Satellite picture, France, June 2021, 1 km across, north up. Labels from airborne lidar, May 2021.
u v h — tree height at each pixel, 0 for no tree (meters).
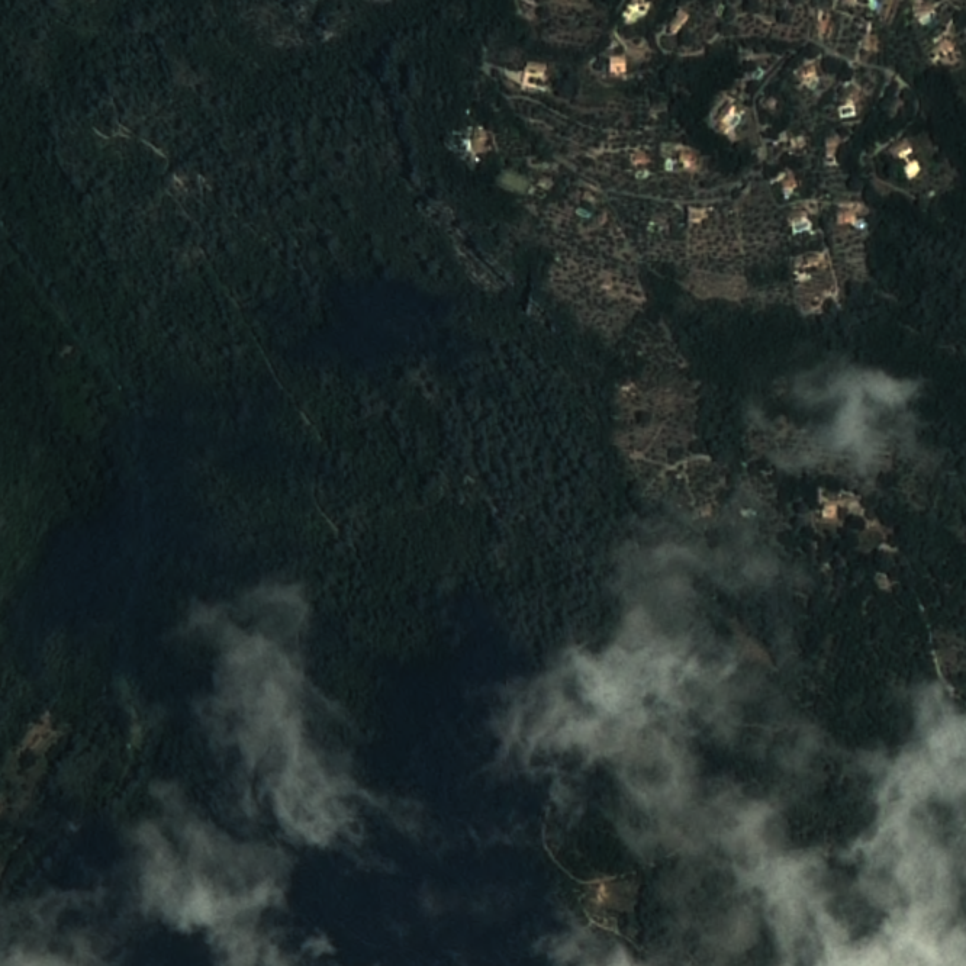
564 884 8
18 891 20
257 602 8
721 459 21
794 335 9
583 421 7
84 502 26
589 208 7
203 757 11
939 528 10
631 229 6
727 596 15
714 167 12
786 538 13
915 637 7
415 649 11
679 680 10
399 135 17
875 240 11
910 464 6
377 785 20
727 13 15
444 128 10
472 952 24
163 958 8
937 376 13
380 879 14
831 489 14
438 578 10
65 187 12
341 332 12
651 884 9
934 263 17
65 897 29
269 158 13
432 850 24
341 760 12
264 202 7
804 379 7
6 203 10
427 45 9
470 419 14
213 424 8
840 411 9
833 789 13
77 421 8
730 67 10
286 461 9
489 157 15
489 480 25
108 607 26
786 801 11
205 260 7
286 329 13
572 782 14
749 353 8
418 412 17
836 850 10
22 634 11
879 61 6
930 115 7
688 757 11
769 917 8
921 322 6
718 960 12
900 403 10
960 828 13
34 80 17
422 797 17
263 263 12
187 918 9
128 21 20
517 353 15
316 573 6
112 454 26
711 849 7
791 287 7
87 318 9
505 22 11
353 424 12
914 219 8
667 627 10
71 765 25
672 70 16
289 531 8
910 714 12
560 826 8
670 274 7
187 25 20
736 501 16
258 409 9
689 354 7
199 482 9
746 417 9
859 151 13
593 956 16
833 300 11
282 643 8
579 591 17
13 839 11
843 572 17
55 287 19
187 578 13
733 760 8
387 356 14
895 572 13
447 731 19
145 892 7
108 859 18
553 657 16
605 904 0
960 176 7
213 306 10
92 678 16
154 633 8
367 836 6
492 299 6
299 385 12
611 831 7
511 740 16
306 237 8
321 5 13
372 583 12
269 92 7
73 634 17
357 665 8
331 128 20
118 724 30
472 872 20
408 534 8
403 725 13
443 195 12
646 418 19
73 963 12
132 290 7
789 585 20
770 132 12
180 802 10
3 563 12
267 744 12
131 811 21
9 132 14
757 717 6
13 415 16
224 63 15
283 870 8
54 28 12
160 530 8
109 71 10
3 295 13
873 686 12
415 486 9
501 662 20
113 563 25
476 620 13
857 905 11
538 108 8
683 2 15
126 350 14
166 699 19
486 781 10
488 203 12
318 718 11
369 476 6
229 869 9
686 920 14
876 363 14
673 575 16
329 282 12
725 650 14
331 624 12
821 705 10
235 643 11
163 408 11
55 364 14
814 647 14
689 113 14
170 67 10
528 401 14
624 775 8
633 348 6
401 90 6
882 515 15
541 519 20
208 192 8
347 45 11
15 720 7
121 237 9
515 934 17
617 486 11
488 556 21
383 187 9
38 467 19
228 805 6
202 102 15
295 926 11
